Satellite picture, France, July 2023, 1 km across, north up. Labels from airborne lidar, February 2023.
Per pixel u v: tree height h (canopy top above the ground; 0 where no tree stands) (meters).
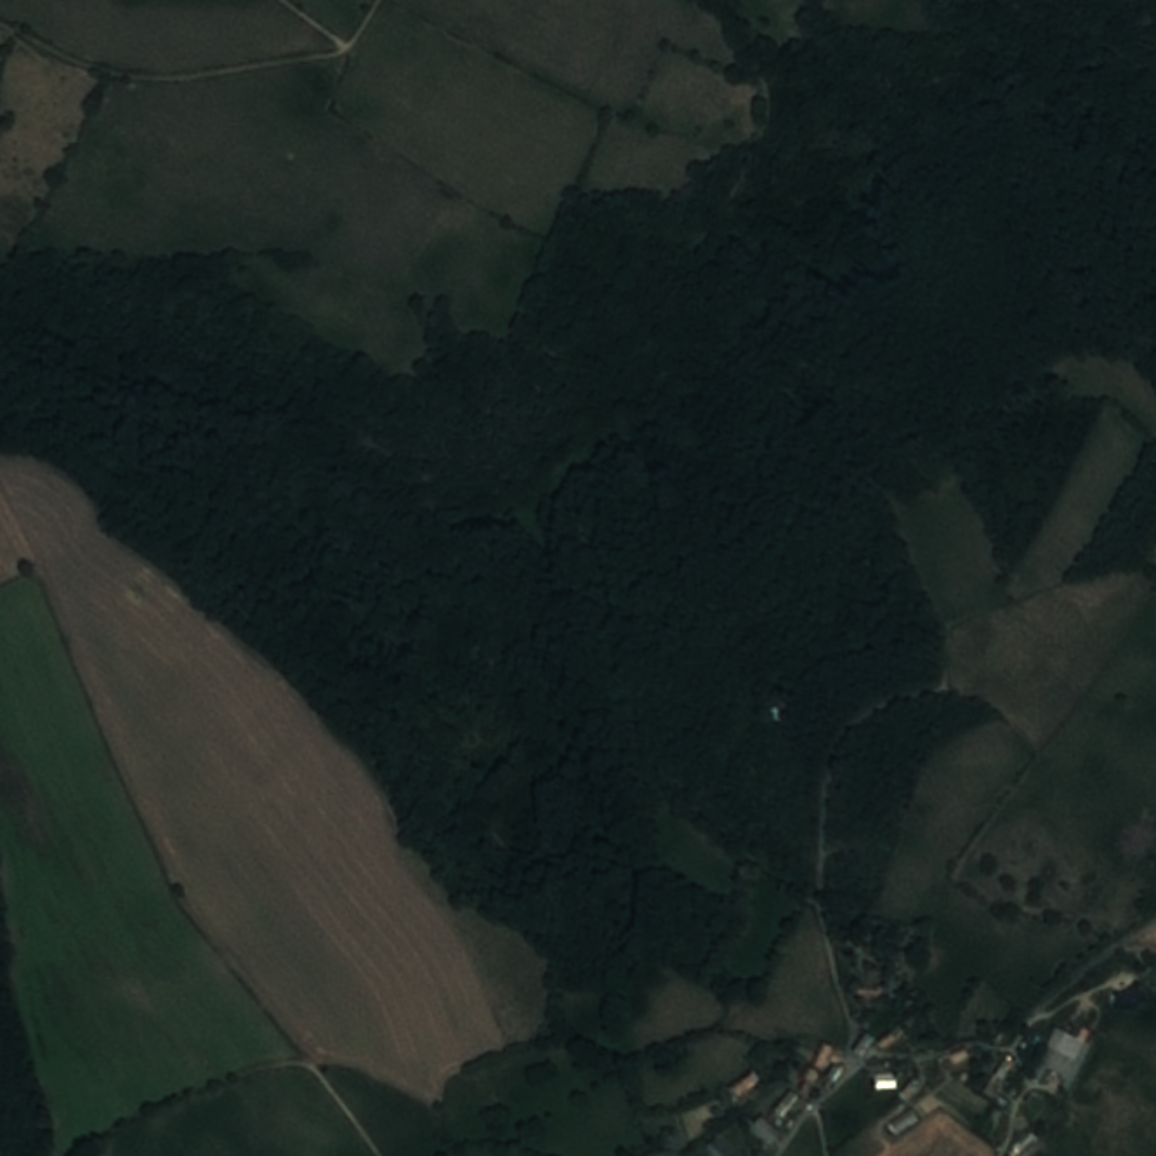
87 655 0
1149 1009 0
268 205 0
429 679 23
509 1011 0
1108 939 12
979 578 0
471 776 21
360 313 0
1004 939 0
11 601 0
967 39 23
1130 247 27
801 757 12
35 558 0
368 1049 0
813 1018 0
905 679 15
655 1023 0
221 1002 0
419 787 16
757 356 29
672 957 21
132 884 0
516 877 16
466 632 8
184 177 0
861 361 25
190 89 0
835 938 10
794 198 11
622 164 0
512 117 0
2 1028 23
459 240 0
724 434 15
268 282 0
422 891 0
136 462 26
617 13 0
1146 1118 0
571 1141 0
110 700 0
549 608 28
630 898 22
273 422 28
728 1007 13
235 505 19
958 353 17
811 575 20
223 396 22
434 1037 0
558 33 0
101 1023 0
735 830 6
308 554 19
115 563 0
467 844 23
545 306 19
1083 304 26
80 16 0
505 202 0
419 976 0
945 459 19
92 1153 19
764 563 23
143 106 0
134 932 0
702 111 0
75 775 0
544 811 19
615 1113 0
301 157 0
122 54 0
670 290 14
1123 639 0
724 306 21
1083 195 26
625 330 27
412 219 0
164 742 0
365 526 28
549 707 25
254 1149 0
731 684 16
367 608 26
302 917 0
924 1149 0
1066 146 25
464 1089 0
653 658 22
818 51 16
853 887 7
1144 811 0
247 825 0
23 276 9
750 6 0
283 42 0
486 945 0
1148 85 19
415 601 20
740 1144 0
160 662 0
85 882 0
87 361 21
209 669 0
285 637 15
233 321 10
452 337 8
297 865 0
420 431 20
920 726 7
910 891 0
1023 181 23
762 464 19
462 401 15
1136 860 0
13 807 0
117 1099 0
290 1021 0
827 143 9
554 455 18
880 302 22
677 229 20
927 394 23
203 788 0
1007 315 23
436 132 0
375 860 0
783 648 15
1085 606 0
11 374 27
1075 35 10
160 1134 0
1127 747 0
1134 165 25
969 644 0
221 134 0
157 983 0
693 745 15
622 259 15
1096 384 0
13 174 0
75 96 0
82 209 0
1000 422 16
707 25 0
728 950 15
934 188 18
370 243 0
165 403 28
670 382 24
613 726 18
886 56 16
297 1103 0
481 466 11
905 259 19
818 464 22
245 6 0
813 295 23
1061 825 0
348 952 0
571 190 10
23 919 0
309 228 0
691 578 23
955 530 0
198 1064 0
